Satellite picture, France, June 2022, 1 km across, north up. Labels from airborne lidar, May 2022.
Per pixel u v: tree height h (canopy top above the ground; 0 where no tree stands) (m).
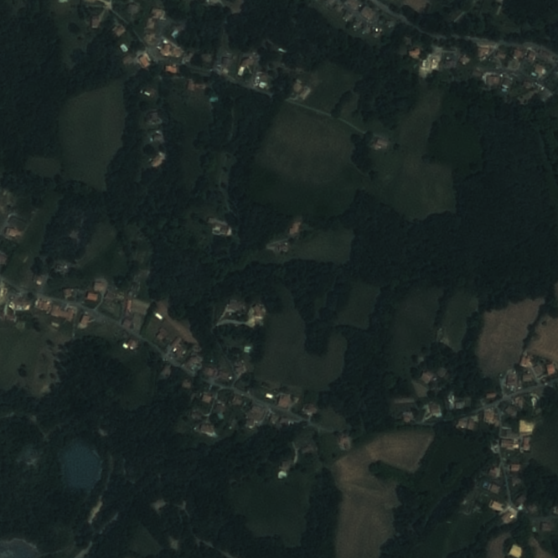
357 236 21
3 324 0
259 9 27
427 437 0
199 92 0
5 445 12
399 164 0
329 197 0
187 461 15
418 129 0
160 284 24
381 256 26
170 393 20
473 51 21
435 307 0
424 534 20
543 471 8
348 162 0
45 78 26
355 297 0
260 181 0
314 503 16
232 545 9
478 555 25
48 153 16
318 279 27
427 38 20
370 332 19
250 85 0
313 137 0
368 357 29
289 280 23
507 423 8
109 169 7
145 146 6
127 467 14
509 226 23
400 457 0
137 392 0
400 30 20
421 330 0
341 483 0
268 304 28
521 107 25
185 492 22
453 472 21
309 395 7
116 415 18
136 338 0
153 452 22
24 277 0
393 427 14
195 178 0
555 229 22
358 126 0
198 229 0
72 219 17
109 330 0
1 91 24
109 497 21
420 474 10
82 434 19
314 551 17
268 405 0
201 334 25
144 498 16
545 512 6
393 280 29
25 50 12
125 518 24
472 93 10
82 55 29
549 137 25
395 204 0
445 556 0
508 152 29
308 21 30
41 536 7
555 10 25
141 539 0
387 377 26
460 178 15
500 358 0
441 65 0
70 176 0
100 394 25
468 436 14
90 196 22
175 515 10
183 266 23
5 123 22
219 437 0
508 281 20
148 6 0
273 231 18
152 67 16
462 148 0
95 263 0
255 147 15
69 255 18
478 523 0
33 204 12
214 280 27
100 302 0
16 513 11
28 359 0
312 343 22
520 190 23
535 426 0
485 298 16
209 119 0
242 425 13
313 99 0
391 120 17
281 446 14
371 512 0
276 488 0
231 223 24
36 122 17
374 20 0
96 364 16
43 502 14
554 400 18
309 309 24
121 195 26
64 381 22
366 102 16
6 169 22
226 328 12
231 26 18
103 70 15
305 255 0
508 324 0
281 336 0
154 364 20
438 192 0
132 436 21
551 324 0
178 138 32
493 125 20
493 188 23
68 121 0
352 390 12
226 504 15
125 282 28
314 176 0
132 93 21
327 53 26
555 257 19
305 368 0
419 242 25
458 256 28
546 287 21
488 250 29
